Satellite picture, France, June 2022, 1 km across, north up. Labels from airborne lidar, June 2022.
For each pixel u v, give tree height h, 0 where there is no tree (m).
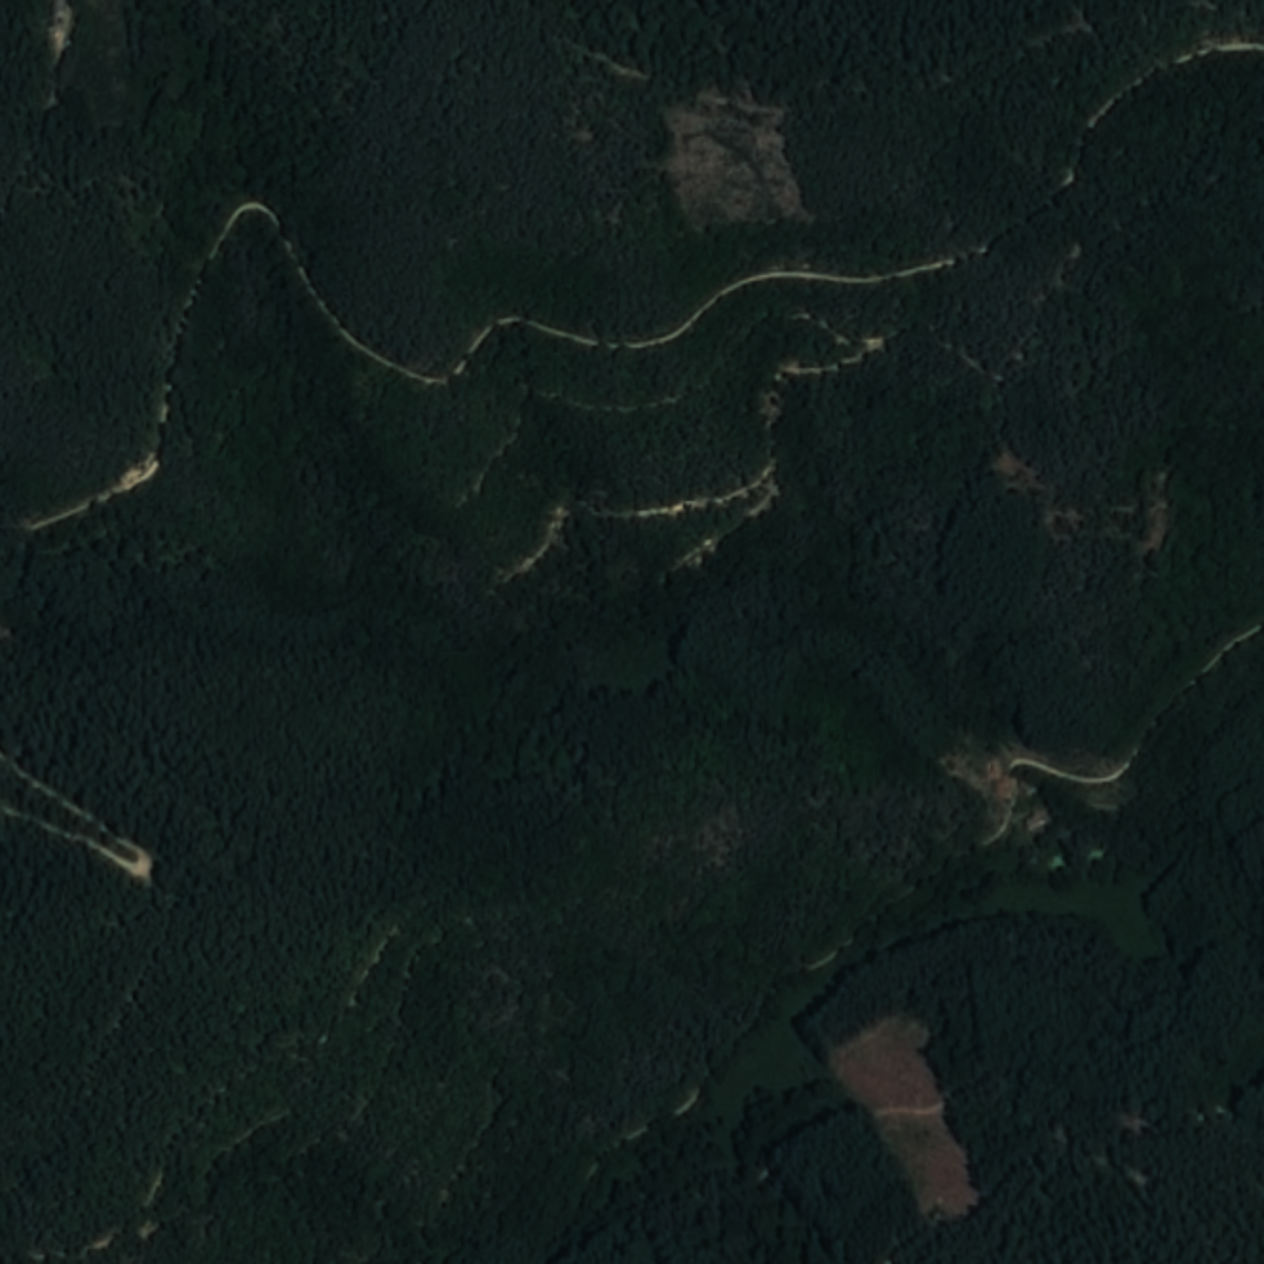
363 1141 12
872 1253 24
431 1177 15
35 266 20
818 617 21
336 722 18
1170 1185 26
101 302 22
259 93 13
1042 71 21
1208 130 10
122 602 25
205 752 25
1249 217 25
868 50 29
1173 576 15
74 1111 20
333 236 20
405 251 16
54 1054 17
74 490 14
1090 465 11
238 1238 14
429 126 12
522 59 19
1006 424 7
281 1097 9
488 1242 16
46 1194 35
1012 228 18
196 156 14
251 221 9
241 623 35
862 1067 0
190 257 6
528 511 13
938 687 19
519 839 24
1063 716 25
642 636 15
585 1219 15
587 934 16
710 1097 12
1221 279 14
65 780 25
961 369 17
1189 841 17
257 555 14
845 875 10
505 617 13
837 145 16
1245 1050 34
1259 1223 27
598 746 20
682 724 20
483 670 29
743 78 15
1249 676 21
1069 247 16
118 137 19
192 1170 18
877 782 9
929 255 13
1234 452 19
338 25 16
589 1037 25
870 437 24
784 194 0
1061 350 22
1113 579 22
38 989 21
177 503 14
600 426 14
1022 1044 30
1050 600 12
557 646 22
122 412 18
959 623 25
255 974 21
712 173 0
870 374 16
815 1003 0
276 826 24
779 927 19
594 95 16
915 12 29
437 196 18
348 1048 11
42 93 19
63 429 13
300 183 23
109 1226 12
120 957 19
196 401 24
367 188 18
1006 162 21
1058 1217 12
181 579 25
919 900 8
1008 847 10
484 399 8
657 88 19
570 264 17
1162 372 23
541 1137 18
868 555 10
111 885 20
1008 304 17
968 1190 0
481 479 11
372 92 18
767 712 32
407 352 14
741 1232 8
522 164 17
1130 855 18
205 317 15
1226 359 17
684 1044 17
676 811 14
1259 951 16
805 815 15
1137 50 18
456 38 19
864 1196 29
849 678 21
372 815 23
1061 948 24
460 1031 24
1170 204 26
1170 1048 39
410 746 19
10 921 15
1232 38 12
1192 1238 25
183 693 29
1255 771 20
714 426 8
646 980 21
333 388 17
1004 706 18
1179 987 24
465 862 17
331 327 17
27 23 24
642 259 14
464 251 14
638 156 17
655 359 13
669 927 22
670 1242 26
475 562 11
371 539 13
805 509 8
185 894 18
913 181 13
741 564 13
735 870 10
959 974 22
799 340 17
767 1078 0
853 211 16
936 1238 15
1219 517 14
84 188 24
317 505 16
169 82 16
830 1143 35
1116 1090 35
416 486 11
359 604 22
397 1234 19
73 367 21
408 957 15
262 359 13
